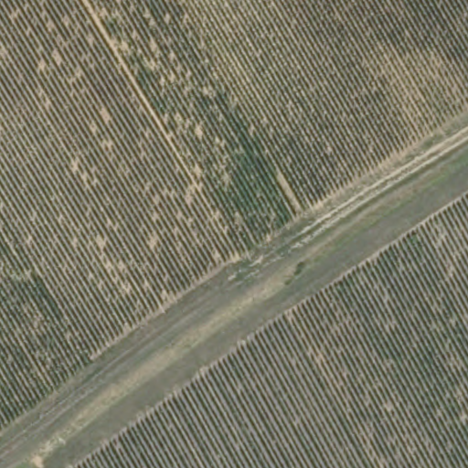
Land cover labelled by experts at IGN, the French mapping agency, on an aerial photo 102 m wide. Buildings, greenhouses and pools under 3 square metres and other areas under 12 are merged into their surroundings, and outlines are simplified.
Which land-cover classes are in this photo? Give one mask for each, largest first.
<instances>
[{"label":"vineyard","instance_id":"1","mask_svg":"<svg viewBox=\"0 0 468 468\"><path fill-rule=\"evenodd\" d=\"M468 104V0H0V428L9 424L22 411L33 408L40 400L46 399L49 393L60 388L62 382L75 375L80 367L90 366L93 358H99L110 347L117 346L130 331L148 325L150 320L161 316L170 305L179 302L185 294L207 283L225 267L238 263V252H247L252 247H258L265 234L283 227L296 214V208L309 207L320 197L329 194L333 188L346 185L355 175H362L364 170L378 165L391 152L402 150L406 144L415 141L417 133L424 132V124H428L430 130H435L446 121V115L463 112L464 106ZM322 292H311L309 296H302L300 300H296L285 309V318L269 325L260 335L254 336V340L247 346L239 347L234 355L223 360L214 369H210L205 377L199 380L194 377L188 378L190 388L183 389L179 397L168 400L163 404V408L157 409L154 415L133 426L132 430L126 431L119 439H113L101 453L91 455V459L79 468H468V196L457 205L444 210L437 218L428 221L426 227L408 234L399 245L389 247L378 256L377 261L367 263L366 267H358V263H353L344 271L338 272L331 280L322 283Z\"/></svg>","mask_w":468,"mask_h":468},{"label":"herbaceous vegetation","instance_id":"2","mask_svg":"<svg viewBox=\"0 0 468 468\"><path fill-rule=\"evenodd\" d=\"M468 124V104L464 106L463 112L446 115V121L435 130H430L428 124H424V132L417 133L415 141L428 150L433 144L441 143L442 139L459 132ZM468 196V141L453 148L430 165L422 166L415 174L408 175L399 183L389 186L388 190L380 192L364 205L355 208L346 218L336 221L335 225L325 229L322 234L303 243L300 249H294L292 245L300 239L313 236L320 227V223H316L314 229L302 232L305 225L313 223L316 219L313 216V208L309 207L296 208V214L283 227L265 234L258 247H252L247 252H238V263L225 267L207 283L185 294L179 302L170 305L161 316L150 320L148 325L130 331L117 346L110 347L99 358H93L90 366L80 367L75 375L62 382L60 388L49 393L46 399L40 400L33 408L22 411L9 424L0 428V468H79L91 459V455L101 453L113 439H119L126 431L132 430L133 426L154 415L157 409L163 408V404L168 400L179 397L183 389L190 388L188 378L194 377L199 380L205 377L210 369H214L223 360L234 355L239 347L247 346L254 340V336L260 335L269 325L285 318V309L296 300H300L302 296H309L311 292H322V283L331 280L338 272L344 271L353 263H358V267H366L367 263L377 261L378 256L389 247L399 245L408 234L426 227L428 221L437 218L444 210L457 205Z\"/></svg>","mask_w":468,"mask_h":468},{"label":"pervious surface","instance_id":"3","mask_svg":"<svg viewBox=\"0 0 468 468\"><path fill-rule=\"evenodd\" d=\"M468 141V124L459 132L442 139L441 143L433 144L428 150L415 141L406 144L402 150L391 152L378 165L364 170L362 175H355L346 185L333 188L329 194L320 197L309 207L313 208V216L316 219L313 223L305 225L302 232L314 229L316 223H320V227L313 236L300 239L292 245L294 249H300L303 243L322 234L325 229L335 225L336 221L346 218L355 208L364 205L380 192L388 190L389 186L399 183L408 175L415 174L422 166L430 165L453 148Z\"/></svg>","mask_w":468,"mask_h":468}]
</instances>
